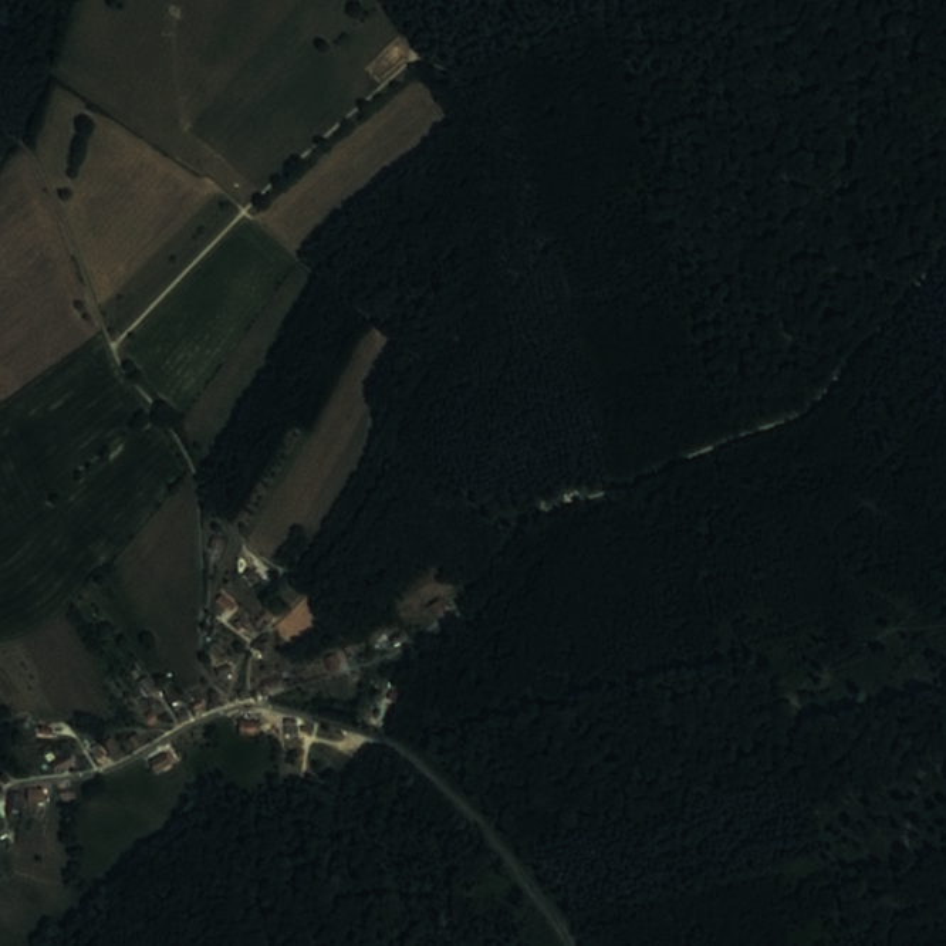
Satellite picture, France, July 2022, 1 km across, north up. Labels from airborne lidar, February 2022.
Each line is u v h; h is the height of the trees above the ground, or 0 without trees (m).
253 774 0
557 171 10
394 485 18
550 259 14
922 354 11
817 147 28
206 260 0
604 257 6
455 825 18
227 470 21
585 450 24
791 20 25
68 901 0
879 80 25
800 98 27
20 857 0
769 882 8
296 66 0
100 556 0
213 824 25
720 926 8
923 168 34
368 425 0
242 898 25
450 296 25
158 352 0
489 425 19
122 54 0
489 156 15
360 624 24
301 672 0
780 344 26
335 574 18
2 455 0
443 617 0
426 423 16
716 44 28
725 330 29
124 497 0
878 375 23
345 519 11
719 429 16
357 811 17
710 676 25
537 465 25
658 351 13
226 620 0
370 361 0
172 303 0
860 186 31
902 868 29
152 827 0
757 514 6
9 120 27
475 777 28
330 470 0
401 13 26
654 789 27
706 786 24
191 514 0
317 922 23
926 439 14
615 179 8
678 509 13
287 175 14
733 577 7
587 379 19
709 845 20
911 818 0
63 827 10
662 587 9
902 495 11
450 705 9
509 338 12
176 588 0
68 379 0
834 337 29
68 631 0
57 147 0
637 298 7
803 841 29
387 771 17
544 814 25
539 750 27
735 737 26
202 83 0
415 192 30
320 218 0
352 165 0
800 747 26
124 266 0
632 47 22
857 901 24
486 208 16
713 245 27
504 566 25
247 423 21
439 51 25
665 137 26
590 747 27
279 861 32
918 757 23
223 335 0
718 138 24
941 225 19
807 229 26
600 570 9
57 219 0
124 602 0
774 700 27
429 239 27
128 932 22
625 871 16
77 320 0
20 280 0
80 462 0
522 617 11
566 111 9
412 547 23
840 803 28
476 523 29
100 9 0
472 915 8
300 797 23
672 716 28
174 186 0
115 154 0
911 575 6
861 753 30
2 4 22
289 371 18
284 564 10
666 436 16
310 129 0
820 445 22
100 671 0
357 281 25
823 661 7
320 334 20
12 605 0
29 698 0
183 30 0
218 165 0
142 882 23
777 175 28
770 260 24
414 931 29
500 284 11
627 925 16
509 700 6
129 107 0
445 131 21
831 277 24
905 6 16
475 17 29
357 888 15
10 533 0
